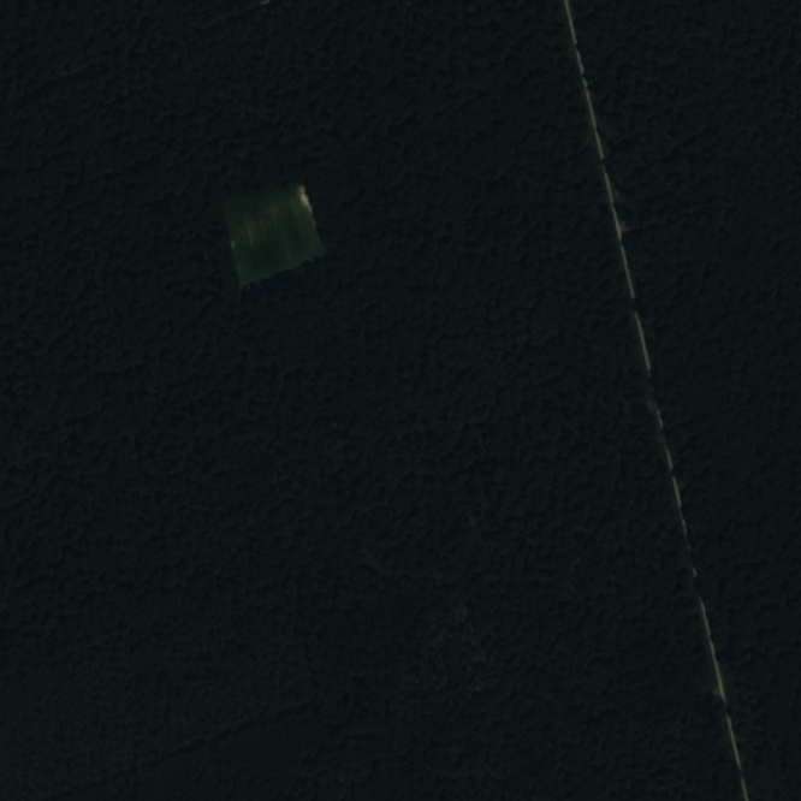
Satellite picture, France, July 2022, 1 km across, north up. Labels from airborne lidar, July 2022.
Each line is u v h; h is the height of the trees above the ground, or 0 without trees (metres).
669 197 15
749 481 19
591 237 28
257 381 23
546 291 28
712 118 16
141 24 15
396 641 20
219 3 18
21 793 9
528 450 23
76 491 27
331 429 27
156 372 23
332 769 21
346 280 13
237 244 0
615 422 24
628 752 19
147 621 15
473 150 27
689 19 21
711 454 25
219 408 23
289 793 21
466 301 23
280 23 21
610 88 11
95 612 25
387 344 23
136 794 14
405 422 24
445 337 27
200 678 9
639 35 18
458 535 27
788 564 22
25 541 20
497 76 27
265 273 0
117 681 12
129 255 29
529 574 19
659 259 24
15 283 24
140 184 30
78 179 27
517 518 26
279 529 24
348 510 24
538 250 24
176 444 29
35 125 31
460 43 29
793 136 20
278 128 27
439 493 24
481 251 13
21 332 18
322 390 25
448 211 24
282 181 26
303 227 0
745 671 19
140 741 9
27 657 17
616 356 22
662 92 25
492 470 26
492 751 26
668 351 25
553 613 20
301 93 24
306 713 14
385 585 24
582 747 27
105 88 28
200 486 24
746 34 15
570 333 17
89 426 24
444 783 24
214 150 24
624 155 24
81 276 24
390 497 22
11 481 21
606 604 22
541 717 27
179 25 22
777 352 21
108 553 25
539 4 16
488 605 18
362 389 26
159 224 28
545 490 27
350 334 27
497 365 17
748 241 22
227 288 27
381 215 15
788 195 18
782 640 24
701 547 21
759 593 23
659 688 26
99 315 25
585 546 27
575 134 21
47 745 14
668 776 21
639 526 26
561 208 25
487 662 11
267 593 12
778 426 26
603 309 16
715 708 22
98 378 27
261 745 16
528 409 29
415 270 24
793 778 23
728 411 20
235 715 9
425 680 25
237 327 20
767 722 25
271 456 19
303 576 24
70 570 27
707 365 26
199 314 26
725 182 19
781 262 19
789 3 22
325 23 24
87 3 25
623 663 27
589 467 16
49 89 29
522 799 26
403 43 15
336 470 15
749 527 26
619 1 28
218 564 25
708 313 19
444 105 25
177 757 13
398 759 26
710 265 12
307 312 26
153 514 27
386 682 24
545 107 22
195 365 21
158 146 24
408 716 25
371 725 24
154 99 21
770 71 24
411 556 23
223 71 16
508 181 26
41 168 27
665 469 22
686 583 26
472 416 25
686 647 21
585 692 22
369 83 27
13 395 28
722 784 25
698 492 24
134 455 22
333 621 30
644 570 24
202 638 10
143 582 23
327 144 26
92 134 27
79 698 9
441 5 28
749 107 18
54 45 25
